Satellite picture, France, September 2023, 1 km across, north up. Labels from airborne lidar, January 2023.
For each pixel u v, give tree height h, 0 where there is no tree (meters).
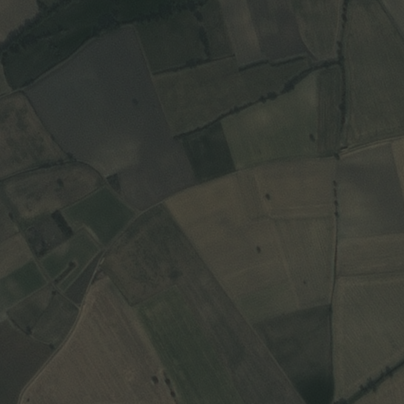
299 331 0
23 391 0
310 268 0
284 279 0
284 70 0
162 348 0
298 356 0
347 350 0
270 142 0
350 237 0
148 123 0
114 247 0
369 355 0
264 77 0
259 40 0
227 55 0
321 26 0
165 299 0
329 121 0
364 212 0
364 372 0
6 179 0
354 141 0
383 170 0
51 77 0
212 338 0
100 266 0
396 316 0
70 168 0
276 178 0
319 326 0
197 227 0
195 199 0
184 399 0
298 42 0
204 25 0
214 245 0
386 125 0
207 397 0
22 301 0
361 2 0
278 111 0
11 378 0
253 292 0
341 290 0
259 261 0
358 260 0
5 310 0
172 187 0
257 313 0
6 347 0
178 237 0
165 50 0
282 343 0
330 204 0
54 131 0
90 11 0
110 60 0
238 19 0
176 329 0
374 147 0
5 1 0
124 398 0
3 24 0
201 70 0
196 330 0
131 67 0
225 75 0
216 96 0
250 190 0
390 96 0
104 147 0
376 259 0
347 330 0
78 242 0
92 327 0
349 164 0
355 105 0
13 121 0
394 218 0
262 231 0
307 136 0
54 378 0
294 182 0
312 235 0
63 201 0
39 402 0
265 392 0
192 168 0
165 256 0
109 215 0
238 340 0
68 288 0
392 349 0
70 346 0
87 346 0
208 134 0
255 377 0
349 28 0
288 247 0
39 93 0
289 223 0
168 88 0
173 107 0
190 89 0
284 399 0
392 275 0
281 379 0
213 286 0
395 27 0
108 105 0
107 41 0
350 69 0
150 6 0
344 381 0
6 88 0
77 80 0
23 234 0
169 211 0
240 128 0
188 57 0
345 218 0
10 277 0
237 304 0
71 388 0
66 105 0
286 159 0
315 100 0
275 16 0
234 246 0
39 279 0
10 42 17
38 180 0
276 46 0
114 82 0
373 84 0
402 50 0
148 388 0
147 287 0
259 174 0
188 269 0
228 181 0
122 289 0
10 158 0
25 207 0
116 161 0
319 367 0
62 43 0
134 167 0
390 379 0
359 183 0
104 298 0
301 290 0
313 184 0
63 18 0
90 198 0
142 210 0
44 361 0
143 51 0
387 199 0
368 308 0
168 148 0
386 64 0
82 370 0
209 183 0
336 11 0
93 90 0
